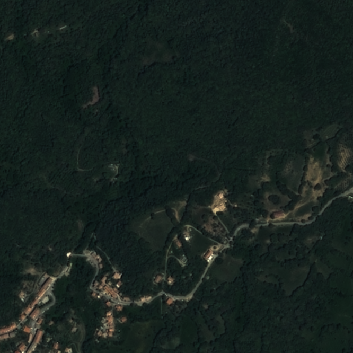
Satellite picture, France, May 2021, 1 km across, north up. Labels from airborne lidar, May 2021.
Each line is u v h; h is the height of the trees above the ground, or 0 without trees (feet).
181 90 54
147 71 57
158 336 43
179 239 48
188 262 35
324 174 0
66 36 54
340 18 29
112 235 24
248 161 36
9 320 23
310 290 45
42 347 33
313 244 22
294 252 38
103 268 34
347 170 41
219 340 56
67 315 46
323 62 19
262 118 36
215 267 0
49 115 45
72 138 30
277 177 29
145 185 75
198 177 33
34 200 52
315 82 27
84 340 0
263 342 48
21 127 35
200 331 29
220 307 67
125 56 50
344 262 0
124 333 0
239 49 41
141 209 46
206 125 30
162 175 32
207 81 56
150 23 36
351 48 38
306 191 0
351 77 33
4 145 33
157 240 0
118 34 58
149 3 46
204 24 66
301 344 49
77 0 34
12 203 52
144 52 37
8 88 30
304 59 26
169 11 28
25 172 38
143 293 42
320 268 0
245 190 46
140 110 54
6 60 62
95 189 63
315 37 19
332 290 45
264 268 49
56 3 39
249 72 26
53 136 40
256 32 25
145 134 54
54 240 33
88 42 37
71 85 78
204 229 20
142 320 38
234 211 49
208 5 23
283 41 30
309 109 44
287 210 44
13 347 30
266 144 27
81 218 0
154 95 47
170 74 52
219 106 40
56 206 55
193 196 41
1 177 25
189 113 34
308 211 0
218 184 31
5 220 38
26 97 33
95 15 32
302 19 20
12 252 47
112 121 53
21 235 46
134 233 36
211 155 34
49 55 28
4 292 22
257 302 29
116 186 48
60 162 24
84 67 74
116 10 44
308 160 24
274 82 28
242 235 18
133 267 24
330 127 0
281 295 41
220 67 42
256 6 35
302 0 27
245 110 32
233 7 37
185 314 39
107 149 34
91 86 25
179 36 28
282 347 62
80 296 0
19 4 59
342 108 31
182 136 42
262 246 47
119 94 51
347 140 19
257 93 35
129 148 61
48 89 57
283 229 0
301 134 35
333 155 48
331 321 0
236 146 42
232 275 0
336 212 31
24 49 39
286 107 48
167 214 28
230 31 28
